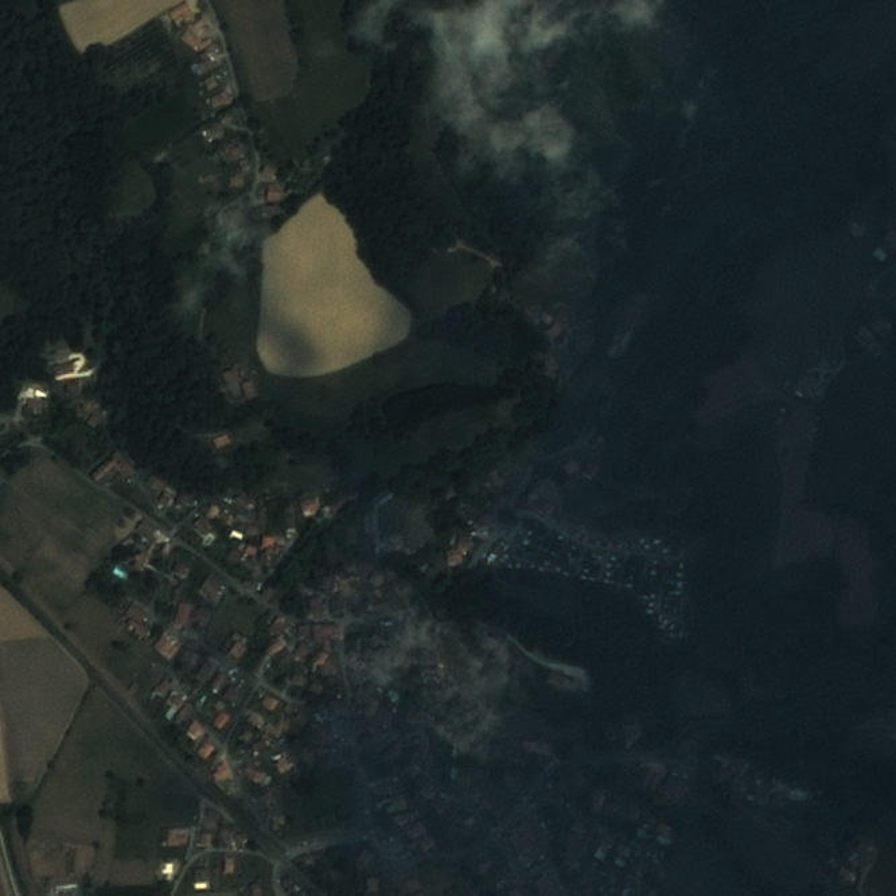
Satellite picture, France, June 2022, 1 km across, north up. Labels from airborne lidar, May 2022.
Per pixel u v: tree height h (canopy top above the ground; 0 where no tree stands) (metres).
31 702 0
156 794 0
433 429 0
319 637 0
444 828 10
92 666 0
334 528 6
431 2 26
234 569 9
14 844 0
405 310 0
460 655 0
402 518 0
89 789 0
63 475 0
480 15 0
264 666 0
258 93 0
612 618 24
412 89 28
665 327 17
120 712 0
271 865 0
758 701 18
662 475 16
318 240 0
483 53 22
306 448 18
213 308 17
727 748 10
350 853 8
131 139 0
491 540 0
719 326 26
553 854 7
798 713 25
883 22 0
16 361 15
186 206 0
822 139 12
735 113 23
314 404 0
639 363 7
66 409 10
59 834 0
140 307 23
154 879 0
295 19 9
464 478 20
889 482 18
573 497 0
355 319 0
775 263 0
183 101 0
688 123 0
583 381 0
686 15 19
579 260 0
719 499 21
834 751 21
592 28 0
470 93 15
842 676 19
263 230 18
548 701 0
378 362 9
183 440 22
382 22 18
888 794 22
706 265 16
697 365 21
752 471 17
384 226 21
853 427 0
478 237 11
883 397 0
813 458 12
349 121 11
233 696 0
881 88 21
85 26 0
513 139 0
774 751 9
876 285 0
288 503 11
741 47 21
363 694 0
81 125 21
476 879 9
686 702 0
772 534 0
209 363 20
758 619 19
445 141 16
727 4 23
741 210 0
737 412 0
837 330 0
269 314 0
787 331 0
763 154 12
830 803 12
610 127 0
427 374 0
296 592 8
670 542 9
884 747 0
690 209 14
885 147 15
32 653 0
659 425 14
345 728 0
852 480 0
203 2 0
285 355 0
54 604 0
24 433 9
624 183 14
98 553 0
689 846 0
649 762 0
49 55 27
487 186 22
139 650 0
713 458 18
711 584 20
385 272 17
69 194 27
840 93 25
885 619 16
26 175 31
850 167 18
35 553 0
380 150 24
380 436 22
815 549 0
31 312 12
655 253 22
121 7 0
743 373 0
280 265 0
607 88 0
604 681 20
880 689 23
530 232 26
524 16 0
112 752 0
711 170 25
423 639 0
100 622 0
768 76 31
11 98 20
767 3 30
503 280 16
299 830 0
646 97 0
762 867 0
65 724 0
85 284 26
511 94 0
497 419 0
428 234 19
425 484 14
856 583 0
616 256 14
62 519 0
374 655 0
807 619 18
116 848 0
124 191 0
